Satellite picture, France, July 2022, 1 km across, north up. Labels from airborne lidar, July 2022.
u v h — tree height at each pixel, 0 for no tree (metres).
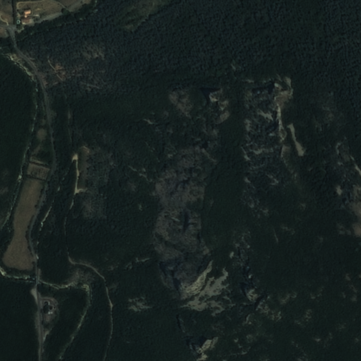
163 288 8
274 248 8
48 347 7
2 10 0
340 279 7
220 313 7
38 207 7
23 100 12
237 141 11
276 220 7
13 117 15
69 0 0
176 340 6
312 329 8
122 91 11
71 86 9
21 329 10
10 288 11
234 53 7
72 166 10
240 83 8
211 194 8
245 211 8
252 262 6
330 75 14
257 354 5
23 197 0
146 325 9
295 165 9
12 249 0
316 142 11
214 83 9
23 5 0
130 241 6
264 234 6
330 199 12
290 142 10
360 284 7
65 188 6
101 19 10
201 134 9
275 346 5
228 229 8
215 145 7
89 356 7
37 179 10
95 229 8
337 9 23
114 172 7
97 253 6
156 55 17
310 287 7
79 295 10
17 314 9
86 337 7
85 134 9
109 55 19
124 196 9
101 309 6
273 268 8
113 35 20
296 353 7
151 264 9
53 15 0
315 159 14
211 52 18
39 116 10
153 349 9
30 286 12
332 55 15
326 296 8
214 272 8
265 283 8
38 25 9
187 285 0
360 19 22
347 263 8
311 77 13
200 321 7
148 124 10
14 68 11
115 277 9
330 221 10
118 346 6
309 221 7
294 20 7
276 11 8
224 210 9
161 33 21
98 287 8
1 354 11
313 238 8
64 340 6
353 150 10
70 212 8
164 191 0
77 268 7
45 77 7
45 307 12
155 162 9
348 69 11
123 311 12
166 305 7
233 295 7
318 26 10
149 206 9
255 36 19
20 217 0
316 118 7
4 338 8
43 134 0
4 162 8
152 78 12
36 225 8
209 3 20
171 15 22
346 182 7
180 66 14
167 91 5
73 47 14
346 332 6
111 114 12
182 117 8
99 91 14
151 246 9
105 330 8
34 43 13
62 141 8
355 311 7
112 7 14
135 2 16
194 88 12
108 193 8
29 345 7
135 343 10
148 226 7
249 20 16
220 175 9
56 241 10
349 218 5
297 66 12
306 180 8
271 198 8
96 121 12
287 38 9
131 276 7
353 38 20
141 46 19
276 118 7
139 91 10
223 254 7
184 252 6
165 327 9
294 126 5
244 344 8
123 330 6
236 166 12
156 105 8
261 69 11
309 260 8
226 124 8
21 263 0
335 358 7
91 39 19
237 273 8
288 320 7
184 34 23
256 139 6
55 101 7
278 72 7
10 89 14
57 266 8
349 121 8
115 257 9
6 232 14
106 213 8
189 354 6
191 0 25
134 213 9
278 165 7
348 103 13
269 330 6
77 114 9
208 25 23
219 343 7
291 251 6
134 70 14
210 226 7
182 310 7
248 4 18
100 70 10
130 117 13
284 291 7
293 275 6
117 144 6
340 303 6
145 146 11
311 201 9
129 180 6
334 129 7
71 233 10
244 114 7
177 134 9
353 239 10
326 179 10
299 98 9
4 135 10
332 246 10
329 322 7
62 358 9
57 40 15
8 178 7
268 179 8
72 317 13
